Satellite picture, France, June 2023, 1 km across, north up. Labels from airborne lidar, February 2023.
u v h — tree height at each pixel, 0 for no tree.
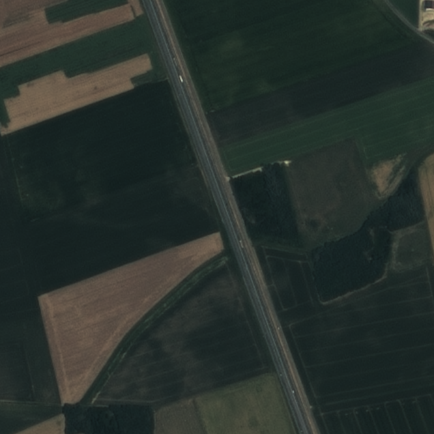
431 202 0
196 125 0
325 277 17
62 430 0
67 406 15
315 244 0
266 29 0
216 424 0
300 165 0
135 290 0
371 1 0
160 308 0
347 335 0
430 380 0
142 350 0
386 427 0
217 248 0
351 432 0
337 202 0
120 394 0
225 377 0
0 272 0
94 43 0
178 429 0
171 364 0
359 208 0
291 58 0
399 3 0
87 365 0
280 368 0
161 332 0
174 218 0
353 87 0
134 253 0
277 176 13
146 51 0
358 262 18
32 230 0
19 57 0
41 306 0
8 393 0
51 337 0
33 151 0
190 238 0
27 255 0
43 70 0
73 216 0
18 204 0
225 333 0
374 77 0
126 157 0
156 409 0
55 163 0
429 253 0
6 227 0
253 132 0
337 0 0
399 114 0
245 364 0
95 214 0
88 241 0
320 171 0
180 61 0
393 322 0
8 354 0
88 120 0
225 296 0
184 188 0
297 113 0
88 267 0
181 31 0
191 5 0
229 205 0
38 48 0
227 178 0
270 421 0
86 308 0
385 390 0
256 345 0
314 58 0
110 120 0
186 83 0
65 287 0
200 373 0
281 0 0
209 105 0
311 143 0
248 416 0
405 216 17
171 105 0
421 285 0
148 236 0
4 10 0
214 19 0
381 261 17
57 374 0
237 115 0
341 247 18
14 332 0
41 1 0
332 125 0
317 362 0
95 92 0
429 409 0
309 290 0
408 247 0
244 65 0
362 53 0
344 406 0
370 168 0
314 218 0
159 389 0
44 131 0
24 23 0
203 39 0
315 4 0
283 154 0
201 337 0
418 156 0
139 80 0
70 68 0
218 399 0
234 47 0
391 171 0
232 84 0
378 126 0
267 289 0
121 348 0
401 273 0
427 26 0
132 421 17
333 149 0
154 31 0
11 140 0
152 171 0
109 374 0
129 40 0
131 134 0
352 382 0
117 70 0
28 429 0
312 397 0
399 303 0
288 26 0
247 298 0
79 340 0
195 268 0
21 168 0
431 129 0
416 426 0
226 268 0
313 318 0
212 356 0
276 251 0
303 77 0
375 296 0
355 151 0
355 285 16
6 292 0
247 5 0
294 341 0
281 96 0
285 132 0
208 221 0
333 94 0
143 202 0
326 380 0
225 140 0
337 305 0
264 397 0
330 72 0
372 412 0
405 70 0
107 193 0
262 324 0
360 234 17
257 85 0
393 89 0
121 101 0
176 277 0
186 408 0
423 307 0
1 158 0
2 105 0
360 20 0
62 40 0
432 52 0
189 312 0
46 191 0
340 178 0
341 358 0
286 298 0
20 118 0
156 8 0
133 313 0
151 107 0
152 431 14
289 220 9
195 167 0
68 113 0
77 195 0
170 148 0
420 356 0
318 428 0
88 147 0
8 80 0
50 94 0
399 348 0
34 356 0
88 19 0
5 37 0
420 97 0
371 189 0
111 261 0
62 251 0
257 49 0
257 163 0
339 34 0
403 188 7
